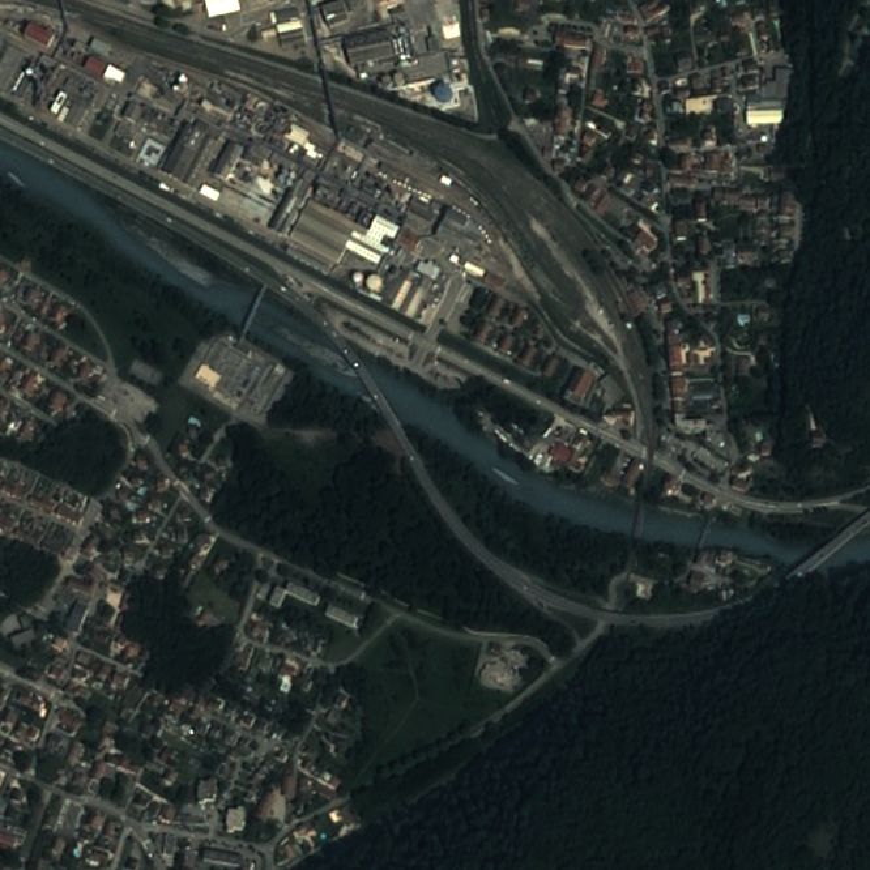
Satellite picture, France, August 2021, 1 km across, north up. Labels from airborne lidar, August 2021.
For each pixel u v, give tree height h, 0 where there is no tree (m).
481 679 0
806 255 17
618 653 25
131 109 0
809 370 15
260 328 0
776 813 18
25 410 0
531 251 0
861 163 9
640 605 9
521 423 18
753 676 21
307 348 0
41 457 15
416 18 0
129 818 0
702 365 0
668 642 12
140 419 0
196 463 6
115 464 14
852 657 14
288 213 0
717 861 17
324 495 14
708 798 14
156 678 14
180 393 0
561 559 7
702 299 0
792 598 20
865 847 14
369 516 23
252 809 6
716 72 0
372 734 9
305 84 0
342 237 0
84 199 0
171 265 0
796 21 14
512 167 0
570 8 8
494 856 16
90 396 10
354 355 0
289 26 0
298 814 8
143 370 0
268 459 11
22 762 15
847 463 9
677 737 21
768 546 0
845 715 16
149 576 12
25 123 0
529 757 27
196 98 0
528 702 5
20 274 0
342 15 0
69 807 0
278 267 0
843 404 15
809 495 14
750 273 17
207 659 19
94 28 0
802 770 19
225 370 0
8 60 0
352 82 8
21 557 17
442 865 19
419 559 20
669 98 6
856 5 16
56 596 7
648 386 0
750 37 0
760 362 9
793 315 23
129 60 0
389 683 0
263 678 8
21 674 10
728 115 7
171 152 0
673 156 16
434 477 8
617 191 7
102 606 8
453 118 10
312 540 20
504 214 0
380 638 0
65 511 0
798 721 18
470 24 0
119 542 6
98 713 11
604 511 0
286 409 14
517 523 16
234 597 9
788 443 17
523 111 9
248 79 0
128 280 6
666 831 12
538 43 11
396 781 12
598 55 0
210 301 0
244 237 0
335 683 14
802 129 12
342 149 0
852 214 15
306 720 10
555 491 0
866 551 0
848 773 17
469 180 0
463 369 0
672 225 6
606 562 15
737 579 17
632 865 15
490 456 0
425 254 0
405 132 0
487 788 16
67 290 0
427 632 0
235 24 0
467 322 12
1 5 0
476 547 0
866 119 12
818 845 0
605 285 0
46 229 6
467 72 0
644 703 14
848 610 18
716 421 0
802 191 9
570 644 15
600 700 20
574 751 25
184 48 0
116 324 0
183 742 0
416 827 18
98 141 0
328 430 16
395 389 0
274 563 0
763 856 13
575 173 9
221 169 0
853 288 15
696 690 15
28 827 6
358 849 24
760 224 0
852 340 14
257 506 25
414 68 0
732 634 17
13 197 13
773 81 0
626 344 0
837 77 14
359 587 7
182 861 12
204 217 0
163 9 14
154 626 20
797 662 19
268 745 0
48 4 0
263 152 0
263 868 0
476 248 0
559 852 17
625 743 22
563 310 0
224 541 5
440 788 11
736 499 0
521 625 13
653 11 0
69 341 0
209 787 0
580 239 0
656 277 6
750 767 10
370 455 14
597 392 0
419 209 0
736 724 15
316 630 7
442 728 0
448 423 0
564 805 24
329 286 0
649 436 0
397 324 0
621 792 17
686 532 0
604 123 7
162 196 0
